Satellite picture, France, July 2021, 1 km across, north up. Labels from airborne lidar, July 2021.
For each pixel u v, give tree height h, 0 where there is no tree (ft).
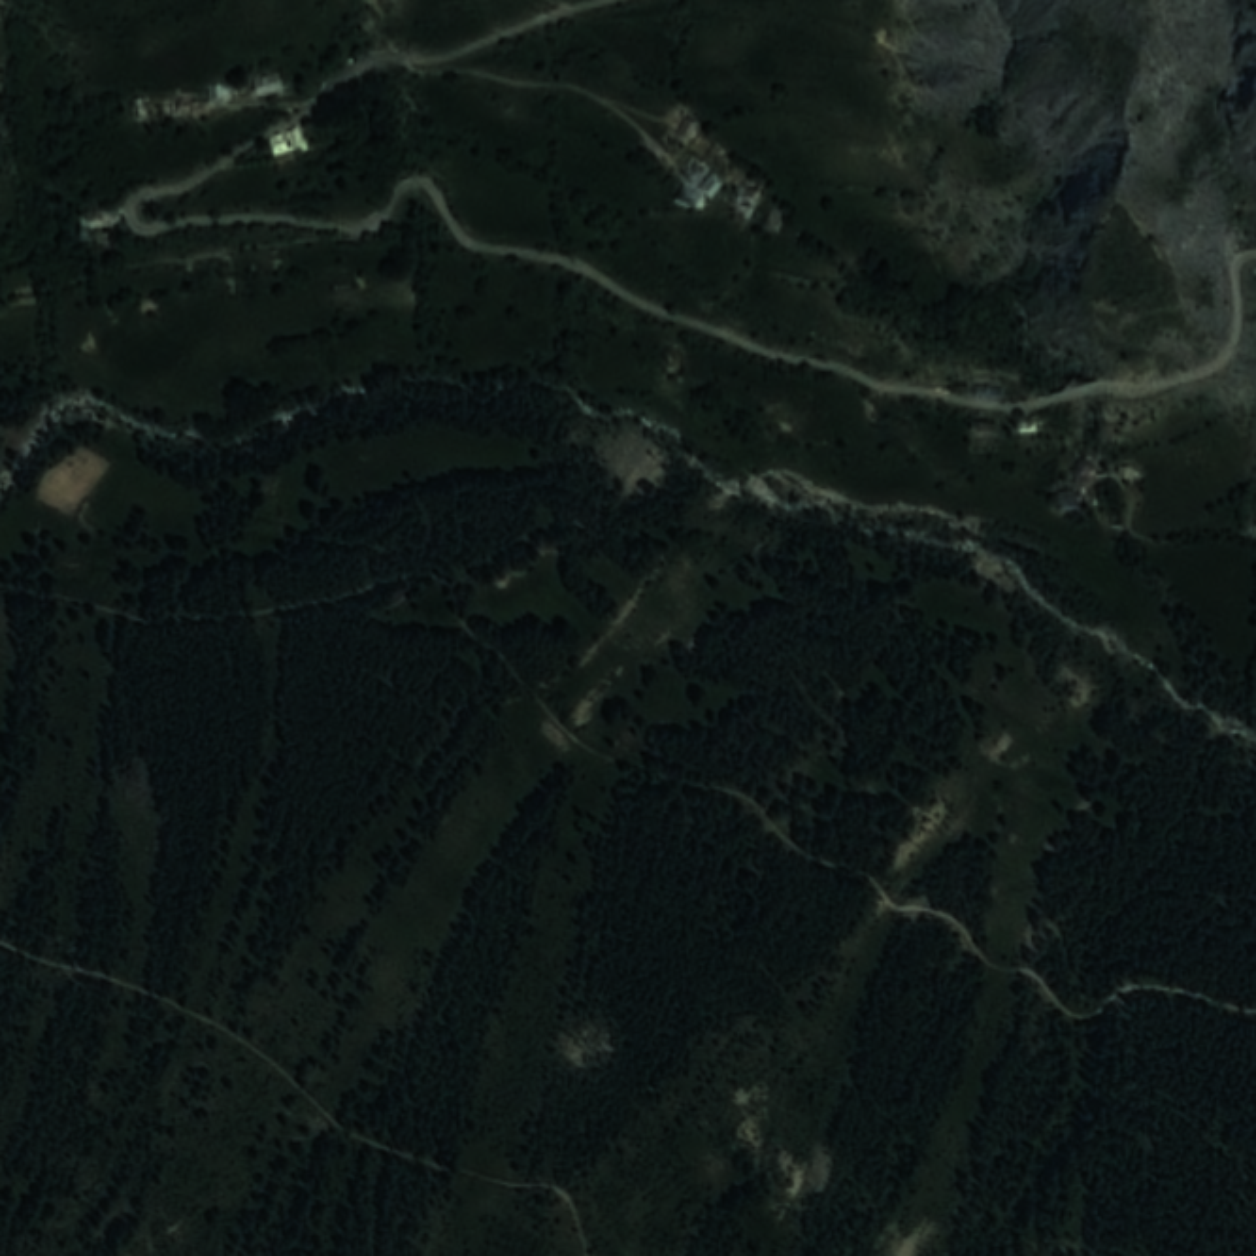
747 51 0
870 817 67
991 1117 52
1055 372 47
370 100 39
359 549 54
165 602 67
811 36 0
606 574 0
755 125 0
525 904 57
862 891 59
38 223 61
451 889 0
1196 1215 67
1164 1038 59
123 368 0
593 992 35
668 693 0
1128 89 0
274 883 36
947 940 48
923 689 87
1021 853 0
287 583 60
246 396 70
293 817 60
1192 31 0
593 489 74
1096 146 0
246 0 0
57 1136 39
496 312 0
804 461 0
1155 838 66
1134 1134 44
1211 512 39
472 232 0
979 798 0
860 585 67
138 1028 55
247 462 63
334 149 36
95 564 0
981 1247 67
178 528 0
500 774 0
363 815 60
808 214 0
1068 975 73
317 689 47
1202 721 35
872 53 0
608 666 0
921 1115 58
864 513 21
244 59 0
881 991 31
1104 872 35
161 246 39
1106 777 34
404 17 0
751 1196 57
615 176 0
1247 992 59
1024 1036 36
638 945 43
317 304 0
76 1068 39
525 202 0
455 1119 54
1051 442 24
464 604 60
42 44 34
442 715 65
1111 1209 56
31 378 37
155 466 48
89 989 31
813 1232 45
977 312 81
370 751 73
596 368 0
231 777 53
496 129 0
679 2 33
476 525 63
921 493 0
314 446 72
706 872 54
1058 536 0
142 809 0
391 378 59
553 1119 20
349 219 0
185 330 0
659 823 59
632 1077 32
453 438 0
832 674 68
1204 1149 61
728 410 34
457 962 55
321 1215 81
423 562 47
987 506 0
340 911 0
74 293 20
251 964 48
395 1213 54
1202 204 0
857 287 34
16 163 26
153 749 52
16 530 0
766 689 60
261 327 0
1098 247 0
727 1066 23
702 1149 0
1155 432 0
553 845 73
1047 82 0
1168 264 0
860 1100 32
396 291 0
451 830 0
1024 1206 21
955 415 27
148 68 0
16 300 30
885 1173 70
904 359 0
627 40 0
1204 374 0
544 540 64
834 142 0
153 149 0
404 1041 45
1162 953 62
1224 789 49
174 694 47
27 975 24
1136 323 0
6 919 42
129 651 59
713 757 58
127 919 47
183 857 51
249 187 0
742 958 56
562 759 0
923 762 50
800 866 50
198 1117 49
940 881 27
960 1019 69
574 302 43
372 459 0
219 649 56
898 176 0
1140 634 0
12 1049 39
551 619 0
